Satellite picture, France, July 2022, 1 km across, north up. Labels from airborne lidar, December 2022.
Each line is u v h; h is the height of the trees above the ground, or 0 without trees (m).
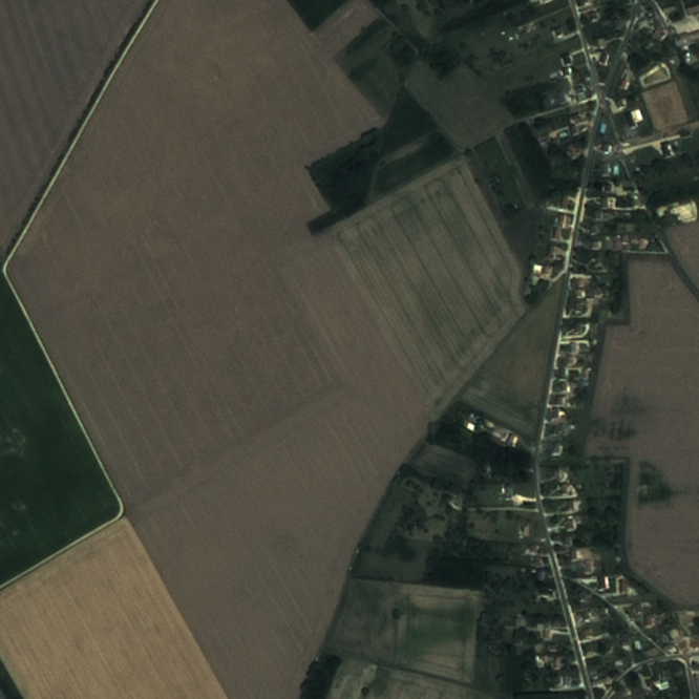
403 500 0
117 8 0
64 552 0
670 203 0
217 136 0
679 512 0
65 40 0
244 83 0
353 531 0
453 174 0
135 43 0
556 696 17
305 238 0
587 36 6
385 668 0
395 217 0
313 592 0
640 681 9
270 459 0
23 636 0
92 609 0
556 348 0
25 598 0
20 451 0
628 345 0
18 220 0
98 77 0
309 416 0
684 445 0
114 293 0
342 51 0
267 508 0
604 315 0
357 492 0
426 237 0
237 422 0
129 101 0
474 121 0
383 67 0
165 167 0
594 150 0
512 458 16
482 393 0
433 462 0
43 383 0
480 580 13
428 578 9
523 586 7
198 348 0
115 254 0
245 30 0
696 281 0
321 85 0
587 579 0
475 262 0
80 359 0
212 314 0
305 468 0
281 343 0
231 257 0
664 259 0
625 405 0
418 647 0
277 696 0
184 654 0
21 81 0
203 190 0
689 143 0
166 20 0
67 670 0
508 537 0
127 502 0
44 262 0
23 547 0
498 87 0
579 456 0
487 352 0
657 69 0
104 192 0
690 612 0
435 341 0
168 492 0
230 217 0
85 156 0
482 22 13
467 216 0
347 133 0
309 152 0
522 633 13
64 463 0
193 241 0
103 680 0
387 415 0
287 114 0
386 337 0
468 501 8
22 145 0
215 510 0
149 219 0
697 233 0
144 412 0
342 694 0
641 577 0
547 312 0
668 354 0
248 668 0
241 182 0
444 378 0
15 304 0
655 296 0
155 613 0
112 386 0
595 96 0
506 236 0
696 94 0
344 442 0
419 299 0
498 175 6
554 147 12
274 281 0
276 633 0
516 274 0
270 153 0
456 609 0
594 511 11
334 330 0
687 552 0
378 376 0
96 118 0
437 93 0
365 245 0
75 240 0
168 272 0
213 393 0
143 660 0
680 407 0
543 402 0
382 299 0
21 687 0
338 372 0
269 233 0
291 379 0
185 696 0
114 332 0
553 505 8
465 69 0
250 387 0
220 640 0
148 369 0
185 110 0
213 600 0
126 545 0
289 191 0
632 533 0
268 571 0
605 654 8
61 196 0
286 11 0
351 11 0
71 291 0
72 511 0
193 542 0
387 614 0
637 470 0
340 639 0
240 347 0
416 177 0
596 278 11
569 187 13
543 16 0
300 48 0
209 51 0
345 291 0
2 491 0
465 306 0
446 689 0
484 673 0
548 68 0
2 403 0
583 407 0
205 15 0
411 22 0
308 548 0
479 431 10
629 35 0
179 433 0
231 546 0
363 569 0
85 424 0
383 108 0
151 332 0
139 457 0
